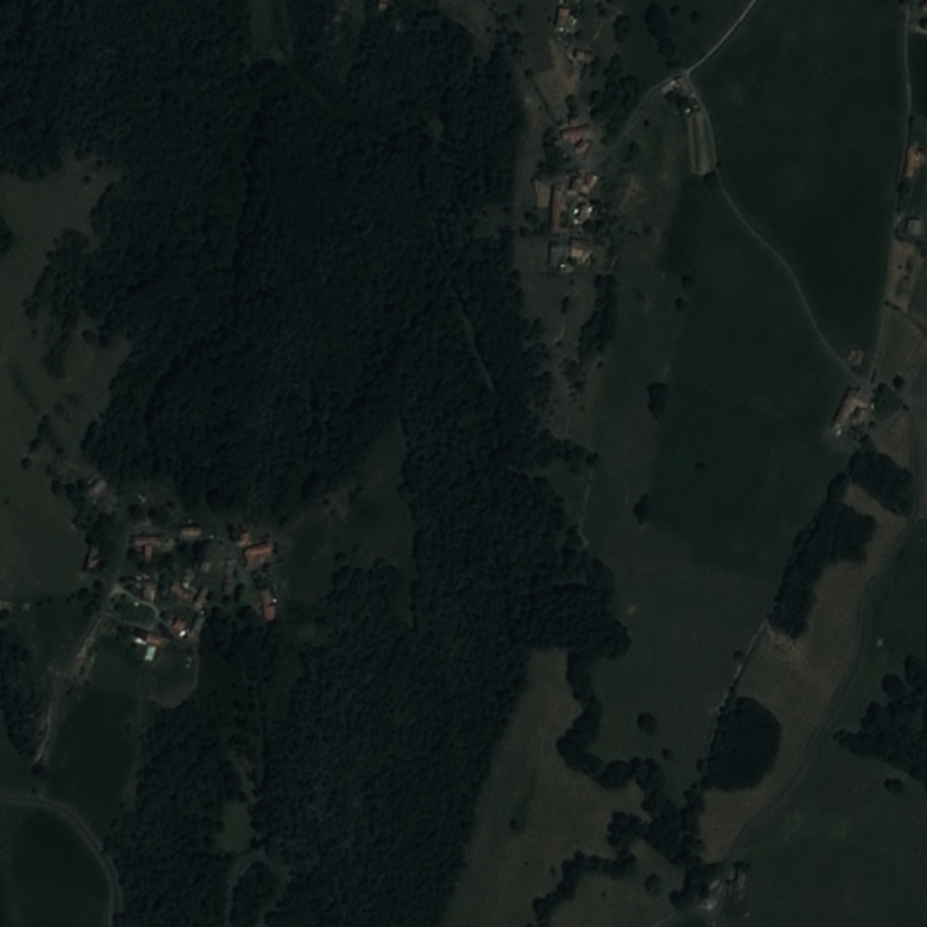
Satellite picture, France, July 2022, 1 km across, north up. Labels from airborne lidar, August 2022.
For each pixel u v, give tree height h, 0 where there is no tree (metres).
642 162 0
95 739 0
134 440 18
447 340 16
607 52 0
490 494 8
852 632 0
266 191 24
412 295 24
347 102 7
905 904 0
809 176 0
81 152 12
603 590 18
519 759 0
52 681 0
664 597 0
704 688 0
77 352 0
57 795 0
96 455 6
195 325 23
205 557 13
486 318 16
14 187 0
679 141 0
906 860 0
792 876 0
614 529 0
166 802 14
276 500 11
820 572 13
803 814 0
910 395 0
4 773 0
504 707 21
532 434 11
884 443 0
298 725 10
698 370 0
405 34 12
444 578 20
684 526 0
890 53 0
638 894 0
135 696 0
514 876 0
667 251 0
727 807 0
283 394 14
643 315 0
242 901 15
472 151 16
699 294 0
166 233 17
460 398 19
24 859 0
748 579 0
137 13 17
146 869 10
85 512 8
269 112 18
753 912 0
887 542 0
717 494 0
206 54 26
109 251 11
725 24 0
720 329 0
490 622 15
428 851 13
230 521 0
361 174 14
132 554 12
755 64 0
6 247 8
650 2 0
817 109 0
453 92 22
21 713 8
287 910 19
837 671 0
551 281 0
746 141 0
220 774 15
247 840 0
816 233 0
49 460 0
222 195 8
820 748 0
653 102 0
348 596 10
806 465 0
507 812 0
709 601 0
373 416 19
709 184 12
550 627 24
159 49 17
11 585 0
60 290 10
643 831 24
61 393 0
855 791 0
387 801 21
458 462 26
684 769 0
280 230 27
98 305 16
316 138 20
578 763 20
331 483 17
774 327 0
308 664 19
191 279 20
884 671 0
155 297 22
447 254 18
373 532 0
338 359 18
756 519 0
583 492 0
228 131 19
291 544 0
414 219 19
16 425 0
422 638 10
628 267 0
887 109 0
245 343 16
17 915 0
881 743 11
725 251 0
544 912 18
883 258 0
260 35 0
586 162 0
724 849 0
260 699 13
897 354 0
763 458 0
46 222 0
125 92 16
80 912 0
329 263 16
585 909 0
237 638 13
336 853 13
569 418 0
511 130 14
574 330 0
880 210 0
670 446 0
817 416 0
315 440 37
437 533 14
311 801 10
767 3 0
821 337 0
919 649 0
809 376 0
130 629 6
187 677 0
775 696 0
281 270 22
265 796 24
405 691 10
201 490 11
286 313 16
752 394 0
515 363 15
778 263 0
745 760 18
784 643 0
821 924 0
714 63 0
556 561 25
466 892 0
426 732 15
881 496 19
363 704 13
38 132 18
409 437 16
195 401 29
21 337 0
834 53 0
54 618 0
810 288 0
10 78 33
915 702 6
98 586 13
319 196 20
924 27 13
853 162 0
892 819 0
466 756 9
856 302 0
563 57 0
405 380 24
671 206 0
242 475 15
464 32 19
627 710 0
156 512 13
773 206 0
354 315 21
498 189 16
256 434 11
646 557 0
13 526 0
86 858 0
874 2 0
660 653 0
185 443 20
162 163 16
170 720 8
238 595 13
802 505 0
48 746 0
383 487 0
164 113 24
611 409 0
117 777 0
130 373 8
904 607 0
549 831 0
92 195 0
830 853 0
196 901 14
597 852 0
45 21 26
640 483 0
